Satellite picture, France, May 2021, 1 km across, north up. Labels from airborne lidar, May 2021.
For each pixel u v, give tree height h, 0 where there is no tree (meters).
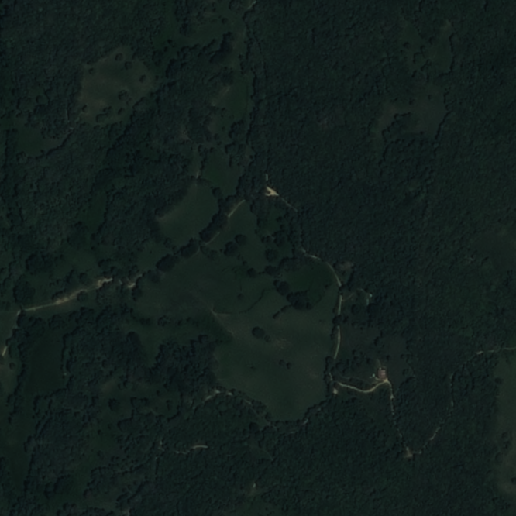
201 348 17
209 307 0
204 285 0
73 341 15
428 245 9
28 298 25
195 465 8
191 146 15
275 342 0
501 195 16
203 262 0
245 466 11
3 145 16
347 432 9
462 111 12
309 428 10
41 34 12
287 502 10
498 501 11
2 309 15
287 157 12
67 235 12
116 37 10
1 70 23
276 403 0
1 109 25
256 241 0
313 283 0
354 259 14
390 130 11
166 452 9
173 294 0
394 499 8
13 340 16
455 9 15
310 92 13
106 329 15
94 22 13
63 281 9
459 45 15
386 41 8
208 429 10
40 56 15
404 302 9
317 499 10
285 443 11
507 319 17
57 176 16
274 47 12
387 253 15
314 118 12
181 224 0
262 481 10
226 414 13
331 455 11
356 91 6
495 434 0
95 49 12
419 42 0
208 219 0
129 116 0
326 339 0
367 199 8
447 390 11
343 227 8
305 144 9
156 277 20
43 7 12
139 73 0
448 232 11
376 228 9
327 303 0
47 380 0
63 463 8
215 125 0
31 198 9
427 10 15
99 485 10
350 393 10
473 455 11
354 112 12
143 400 12
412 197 7
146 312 0
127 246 12
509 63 19
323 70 13
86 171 13
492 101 12
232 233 0
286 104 14
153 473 13
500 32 16
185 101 9
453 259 9
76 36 9
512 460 0
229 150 16
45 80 13
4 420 0
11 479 13
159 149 10
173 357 18
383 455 11
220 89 14
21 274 22
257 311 0
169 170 16
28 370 17
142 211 8
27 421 0
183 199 10
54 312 0
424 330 12
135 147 22
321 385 0
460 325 13
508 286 18
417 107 0
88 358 10
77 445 6
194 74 14
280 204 10
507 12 14
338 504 11
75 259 0
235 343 0
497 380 7
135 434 12
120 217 11
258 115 17
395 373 0
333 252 13
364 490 8
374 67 10
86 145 13
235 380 0
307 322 0
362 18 10
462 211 12
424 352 11
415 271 8
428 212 7
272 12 11
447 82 15
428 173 10
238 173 0
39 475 16
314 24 12
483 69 16
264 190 12
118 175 22
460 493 12
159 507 9
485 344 15
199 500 9
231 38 20
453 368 13
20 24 12
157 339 0
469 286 13
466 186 11
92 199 11
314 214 10
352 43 10
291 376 0
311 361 0
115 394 0
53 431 14
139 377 10
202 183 14
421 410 6
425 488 15
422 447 8
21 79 12
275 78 15
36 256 22
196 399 8
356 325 11
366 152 10
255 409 7
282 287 16
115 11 16
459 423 8
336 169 7
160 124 16
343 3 12
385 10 14
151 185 16
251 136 15
